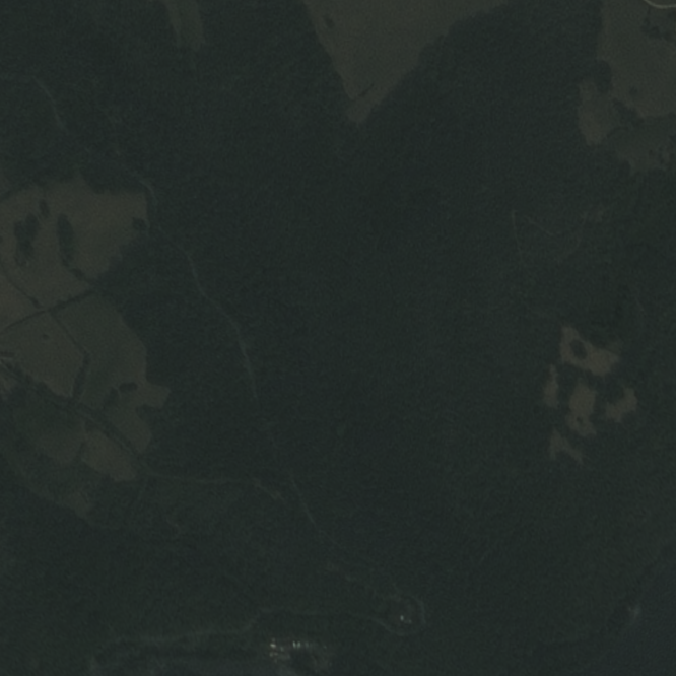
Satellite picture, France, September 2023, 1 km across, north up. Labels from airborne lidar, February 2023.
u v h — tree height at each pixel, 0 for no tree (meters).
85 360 6
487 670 24
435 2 0
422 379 13
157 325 11
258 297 15
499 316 7
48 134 10
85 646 17
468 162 16
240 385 20
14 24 10
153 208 15
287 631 11
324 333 11
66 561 13
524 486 13
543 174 7
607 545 21
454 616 23
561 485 11
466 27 14
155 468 9
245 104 15
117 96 25
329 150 14
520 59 17
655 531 11
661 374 21
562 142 6
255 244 21
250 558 17
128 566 16
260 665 0
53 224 0
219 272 8
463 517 22
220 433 23
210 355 15
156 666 0
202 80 23
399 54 0
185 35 0
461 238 11
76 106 7
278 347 20
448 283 9
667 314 7
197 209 21
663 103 0
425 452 20
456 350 13
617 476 17
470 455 12
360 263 20
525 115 15
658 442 19
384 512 24
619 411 0
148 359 9
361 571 15
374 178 24
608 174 6
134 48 10
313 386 26
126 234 0
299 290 21
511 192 9
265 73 13
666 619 14
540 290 10
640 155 0
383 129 20
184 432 19
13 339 0
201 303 22
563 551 19
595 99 0
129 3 7
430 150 26
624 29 0
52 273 0
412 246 19
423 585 19
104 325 0
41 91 12
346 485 10
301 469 20
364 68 0
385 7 0
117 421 0
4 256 0
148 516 7
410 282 19
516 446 20
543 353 6
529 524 8
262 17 16
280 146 11
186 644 12
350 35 0
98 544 17
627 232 17
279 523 12
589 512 17
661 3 0
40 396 6
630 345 0
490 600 25
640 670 22
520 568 15
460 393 14
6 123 8
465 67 8
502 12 11
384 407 24
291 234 16
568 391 16
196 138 17
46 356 0
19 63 11
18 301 0
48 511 19
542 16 9
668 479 17
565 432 11
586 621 18
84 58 16
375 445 26
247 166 23
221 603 9
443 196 18
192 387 13
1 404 17
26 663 17
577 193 8
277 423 19
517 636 23
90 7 7
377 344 25
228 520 10
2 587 13
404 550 20
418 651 14
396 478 29
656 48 0
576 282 13
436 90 16
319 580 15
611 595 21
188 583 10
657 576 13
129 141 9
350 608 15
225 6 9
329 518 22
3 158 7
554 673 18
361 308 23
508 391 13
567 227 7
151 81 9
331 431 23
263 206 13
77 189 0
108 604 21
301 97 12
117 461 0
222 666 0
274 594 13
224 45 11
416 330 13
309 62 12
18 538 16
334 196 21
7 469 7
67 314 0
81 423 0
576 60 8
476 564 14
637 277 12
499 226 8
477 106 7
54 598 20
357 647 17
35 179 10
